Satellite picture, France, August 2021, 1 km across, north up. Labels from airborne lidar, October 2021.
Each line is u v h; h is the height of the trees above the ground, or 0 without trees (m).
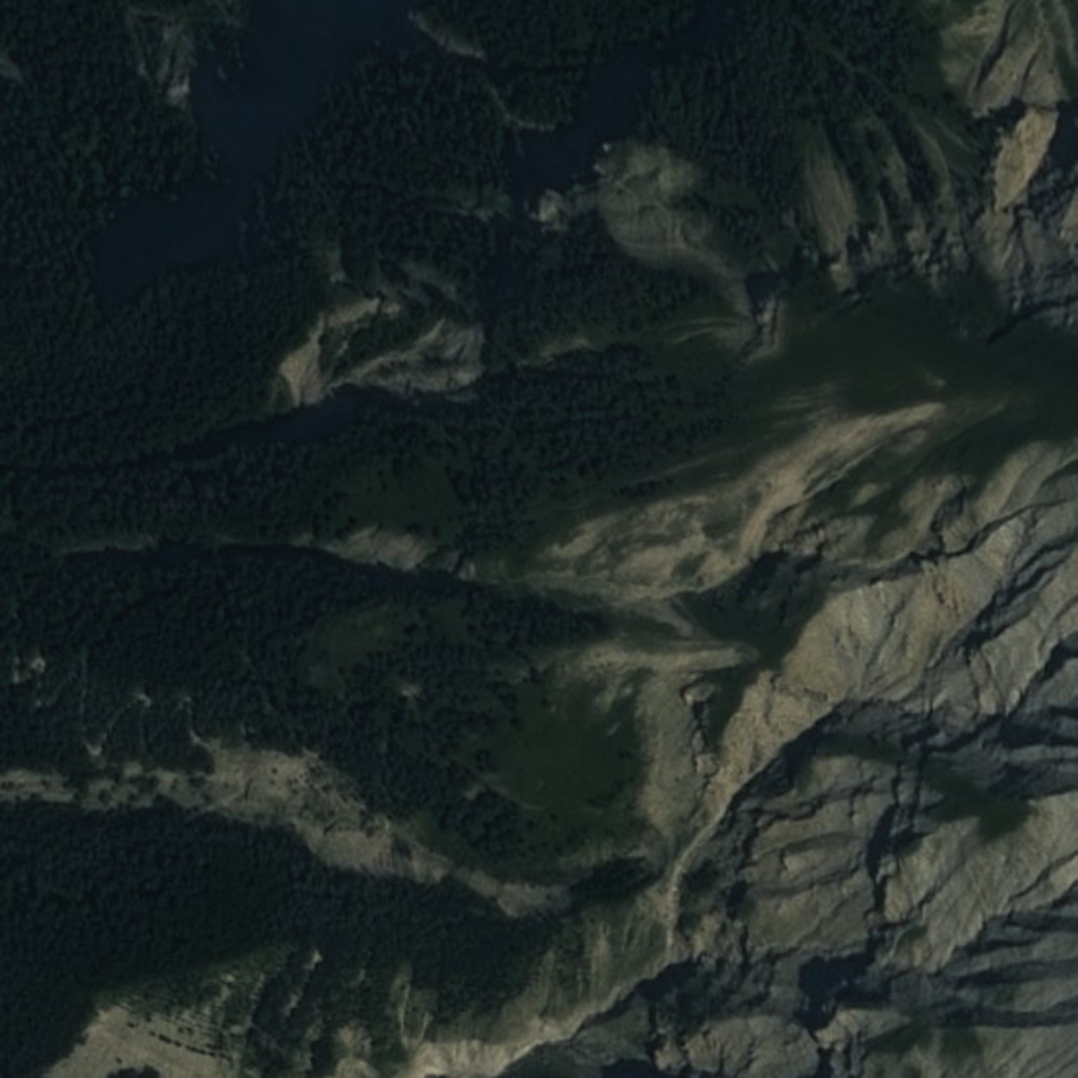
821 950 0
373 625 0
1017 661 0
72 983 13
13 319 21
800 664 0
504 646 6
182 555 9
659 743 0
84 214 11
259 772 0
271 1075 11
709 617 0
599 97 10
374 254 13
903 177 0
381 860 0
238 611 17
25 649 14
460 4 16
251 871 24
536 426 13
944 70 0
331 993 11
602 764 0
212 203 14
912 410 0
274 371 9
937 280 0
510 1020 0
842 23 21
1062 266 0
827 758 0
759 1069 0
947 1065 0
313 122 18
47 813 11
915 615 0
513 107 7
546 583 0
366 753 17
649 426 12
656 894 0
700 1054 0
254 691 17
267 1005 16
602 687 0
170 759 6
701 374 0
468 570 0
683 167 0
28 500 31
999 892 0
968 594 0
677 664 0
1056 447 0
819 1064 0
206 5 11
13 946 18
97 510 27
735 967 0
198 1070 0
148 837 20
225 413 15
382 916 23
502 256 7
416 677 10
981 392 0
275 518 23
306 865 14
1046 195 0
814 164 0
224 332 20
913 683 0
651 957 0
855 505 0
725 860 0
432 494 0
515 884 0
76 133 15
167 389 16
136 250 13
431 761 9
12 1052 18
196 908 21
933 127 0
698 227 0
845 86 22
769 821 0
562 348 0
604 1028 0
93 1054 0
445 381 0
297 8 0
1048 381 0
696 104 20
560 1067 0
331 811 7
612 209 0
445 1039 0
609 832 6
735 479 0
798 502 0
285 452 17
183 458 16
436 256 8
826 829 0
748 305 0
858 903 0
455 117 18
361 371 0
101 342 14
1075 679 0
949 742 0
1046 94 0
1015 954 0
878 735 0
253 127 0
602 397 11
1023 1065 0
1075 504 0
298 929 14
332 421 8
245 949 13
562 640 11
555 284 11
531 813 0
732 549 0
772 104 15
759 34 22
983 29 0
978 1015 0
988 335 0
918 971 0
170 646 16
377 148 21
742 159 18
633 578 0
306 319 16
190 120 11
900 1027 0
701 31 11
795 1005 0
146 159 14
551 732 0
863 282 0
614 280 15
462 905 8
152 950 21
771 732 0
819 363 0
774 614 0
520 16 20
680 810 0
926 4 0
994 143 0
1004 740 0
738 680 0
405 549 0
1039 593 0
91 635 14
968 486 0
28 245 33
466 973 12
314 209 17
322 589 21
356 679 6
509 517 12
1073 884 0
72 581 12
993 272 0
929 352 0
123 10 8
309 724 20
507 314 9
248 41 8
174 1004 10
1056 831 0
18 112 15
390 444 11
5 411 14
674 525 0
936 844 0
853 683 0
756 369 0
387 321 6
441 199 10
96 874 27
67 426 16
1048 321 0
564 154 0
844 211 0
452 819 16
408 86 23
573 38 8
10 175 18
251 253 10
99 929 22
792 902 0
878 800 0
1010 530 0
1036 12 0
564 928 12
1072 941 0
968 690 0
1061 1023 0
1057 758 0
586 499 0
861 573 0
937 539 0
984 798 0
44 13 25
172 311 14
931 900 0
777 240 0
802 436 0
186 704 8
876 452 0
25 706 13
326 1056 9
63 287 26
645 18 18
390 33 0
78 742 12
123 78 16
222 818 6
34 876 30
